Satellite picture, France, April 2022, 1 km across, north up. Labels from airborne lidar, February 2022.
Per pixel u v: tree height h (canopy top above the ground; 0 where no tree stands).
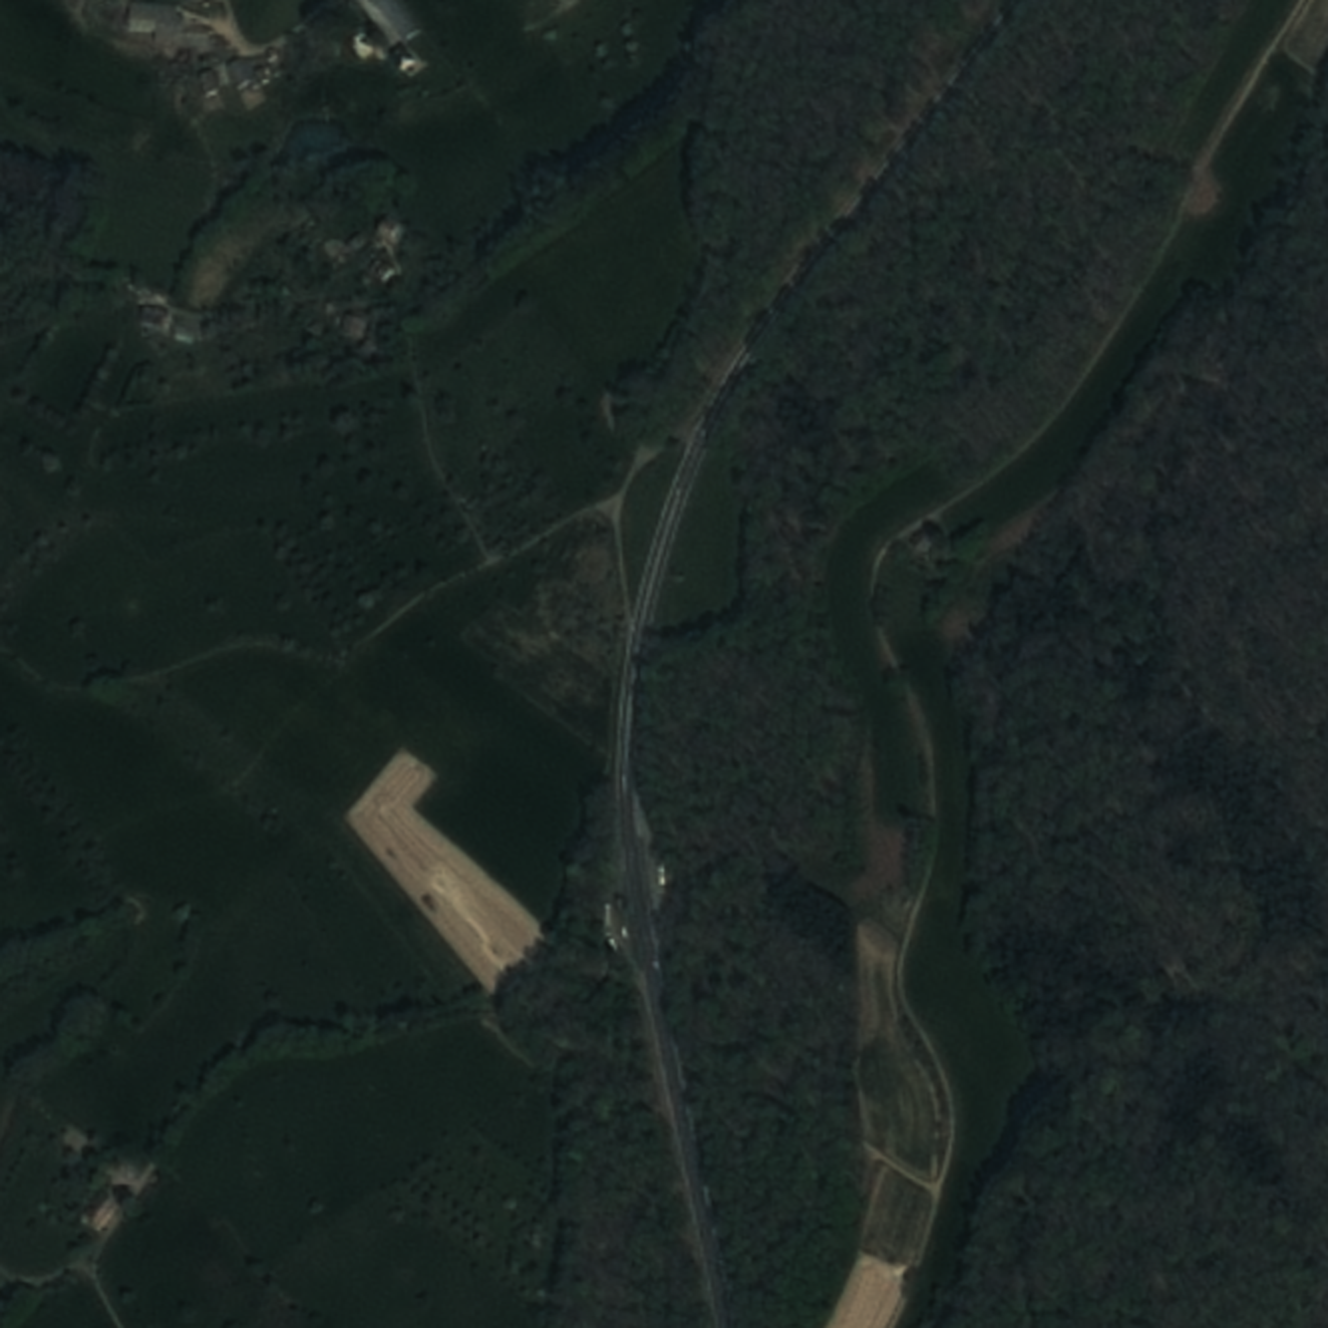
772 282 27
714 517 0
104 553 0
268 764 0
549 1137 0
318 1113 0
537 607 0
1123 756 28
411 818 0
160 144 0
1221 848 27
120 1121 0
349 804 0
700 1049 29
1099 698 26
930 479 0
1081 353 31
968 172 30
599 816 19
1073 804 27
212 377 0
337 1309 0
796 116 29
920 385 30
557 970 23
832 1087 27
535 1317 8
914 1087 0
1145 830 28
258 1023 0
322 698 0
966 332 29
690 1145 0
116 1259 0
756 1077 30
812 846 32
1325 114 17
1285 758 26
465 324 0
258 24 0
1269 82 0
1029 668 28
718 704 31
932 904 0
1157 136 32
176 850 0
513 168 0
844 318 29
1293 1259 28
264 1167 0
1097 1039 28
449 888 0
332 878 0
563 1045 30
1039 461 0
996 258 28
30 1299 14
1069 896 28
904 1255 0
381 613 0
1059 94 28
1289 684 28
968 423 31
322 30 25
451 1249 0
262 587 0
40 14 0
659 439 18
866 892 0
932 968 0
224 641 0
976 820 13
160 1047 0
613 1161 28
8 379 0
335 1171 0
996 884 24
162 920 0
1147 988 29
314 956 0
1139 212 31
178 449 8
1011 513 0
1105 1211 32
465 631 0
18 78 0
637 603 0
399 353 19
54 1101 0
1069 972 31
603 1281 28
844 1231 28
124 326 0
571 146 0
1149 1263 27
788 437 28
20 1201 0
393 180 16
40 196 18
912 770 0
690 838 31
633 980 27
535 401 0
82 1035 22
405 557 0
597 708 0
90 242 26
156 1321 0
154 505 0
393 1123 0
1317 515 29
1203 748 34
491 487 10
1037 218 28
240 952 0
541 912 0
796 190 30
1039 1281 30
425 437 0
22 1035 0
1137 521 31
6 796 0
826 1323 26
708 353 26
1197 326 29
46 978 10
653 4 0
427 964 0
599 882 28
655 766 28
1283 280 30
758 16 31
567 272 0
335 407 0
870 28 29
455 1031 0
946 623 0
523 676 0
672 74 0
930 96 27
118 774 0
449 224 0
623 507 0
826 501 18
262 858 0
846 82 30
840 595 0
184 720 0
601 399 0
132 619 0
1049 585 24
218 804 0
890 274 31
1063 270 29
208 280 0
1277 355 29
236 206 14
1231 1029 30
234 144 0
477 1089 0
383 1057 0
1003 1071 0
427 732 0
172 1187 0
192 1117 6
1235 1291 30
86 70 0
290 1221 0
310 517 0
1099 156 30
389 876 0
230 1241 0
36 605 0
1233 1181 27
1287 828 30
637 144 28
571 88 0
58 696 0
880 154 25
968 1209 0
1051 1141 32
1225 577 28
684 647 23
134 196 0
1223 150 0
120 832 0
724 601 0
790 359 29
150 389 0
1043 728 30
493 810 0
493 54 0
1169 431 28
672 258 0
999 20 0
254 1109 0
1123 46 29
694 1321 32
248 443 0
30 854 0
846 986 31
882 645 0
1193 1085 29
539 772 0
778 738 30
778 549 32
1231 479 26
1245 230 0
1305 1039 30
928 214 29
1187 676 27
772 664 32
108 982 8
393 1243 0
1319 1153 28
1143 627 28
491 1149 0
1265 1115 30
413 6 0
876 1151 0
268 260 0
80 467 0
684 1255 30
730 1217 25
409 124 0
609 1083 22
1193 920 28
